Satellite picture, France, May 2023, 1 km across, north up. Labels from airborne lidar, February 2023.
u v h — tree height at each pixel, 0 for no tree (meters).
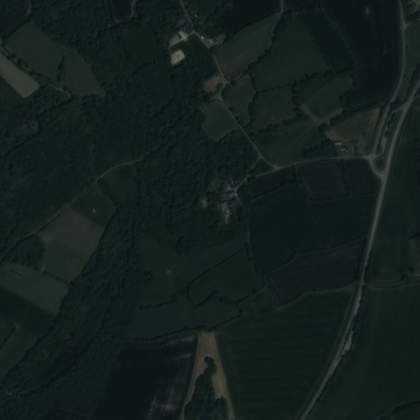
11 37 8
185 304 0
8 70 0
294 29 0
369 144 0
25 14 0
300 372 0
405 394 0
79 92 0
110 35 18
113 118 10
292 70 0
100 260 20
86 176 21
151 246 0
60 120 17
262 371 0
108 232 14
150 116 10
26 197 17
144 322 0
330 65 6
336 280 0
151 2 17
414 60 0
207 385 7
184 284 0
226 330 0
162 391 0
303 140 0
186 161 8
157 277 0
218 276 0
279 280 0
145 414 0
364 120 0
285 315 0
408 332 0
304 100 0
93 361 21
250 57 0
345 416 0
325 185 0
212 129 0
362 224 0
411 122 0
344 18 0
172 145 8
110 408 0
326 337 0
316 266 0
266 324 0
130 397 0
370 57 0
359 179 0
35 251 8
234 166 9
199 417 0
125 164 0
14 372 18
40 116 17
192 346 0
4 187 18
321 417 0
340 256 0
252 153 8
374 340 0
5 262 14
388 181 0
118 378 0
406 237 0
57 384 21
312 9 9
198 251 0
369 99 0
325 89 0
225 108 0
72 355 0
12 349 0
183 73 5
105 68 6
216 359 0
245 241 0
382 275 0
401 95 0
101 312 0
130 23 8
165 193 10
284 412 0
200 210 0
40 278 0
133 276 18
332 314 0
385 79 0
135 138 11
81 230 0
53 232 0
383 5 0
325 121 0
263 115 0
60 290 0
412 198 0
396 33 0
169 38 0
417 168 0
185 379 0
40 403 24
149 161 14
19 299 0
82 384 23
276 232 0
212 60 0
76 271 0
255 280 0
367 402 0
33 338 0
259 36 0
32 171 15
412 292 0
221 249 0
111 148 7
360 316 12
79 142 19
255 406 0
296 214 0
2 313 0
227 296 0
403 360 0
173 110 12
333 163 0
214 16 8
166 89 0
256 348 0
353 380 0
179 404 0
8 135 20
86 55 18
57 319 9
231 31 0
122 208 13
